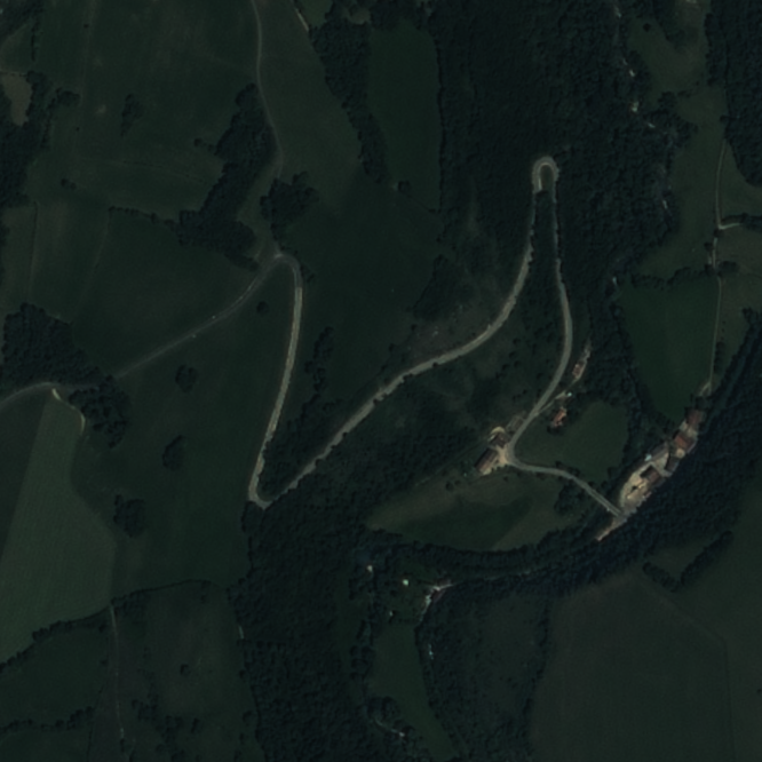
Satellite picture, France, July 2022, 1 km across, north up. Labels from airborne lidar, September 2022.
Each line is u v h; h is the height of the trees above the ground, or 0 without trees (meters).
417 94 0
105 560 0
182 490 0
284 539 18
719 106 0
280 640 7
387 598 21
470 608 5
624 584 0
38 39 10
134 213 11
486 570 21
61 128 0
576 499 22
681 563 0
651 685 0
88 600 0
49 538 0
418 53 0
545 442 0
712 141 0
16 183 20
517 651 0
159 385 0
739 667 0
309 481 14
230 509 0
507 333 0
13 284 0
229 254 17
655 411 18
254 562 15
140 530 19
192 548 0
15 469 0
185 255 0
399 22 17
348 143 0
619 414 0
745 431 20
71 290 0
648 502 0
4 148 15
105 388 24
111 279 0
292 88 0
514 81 17
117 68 0
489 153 18
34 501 0
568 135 25
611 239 24
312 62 0
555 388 0
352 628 0
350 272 0
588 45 23
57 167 0
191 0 0
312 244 0
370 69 16
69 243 0
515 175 19
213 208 20
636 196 23
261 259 0
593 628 0
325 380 19
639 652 0
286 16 0
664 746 0
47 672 0
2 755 0
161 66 0
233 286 0
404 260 0
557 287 17
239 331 0
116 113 0
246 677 18
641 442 20
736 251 0
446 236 7
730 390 17
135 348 0
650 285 19
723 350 9
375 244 0
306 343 0
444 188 11
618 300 16
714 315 0
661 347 0
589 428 0
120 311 0
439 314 10
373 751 21
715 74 15
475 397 7
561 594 13
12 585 0
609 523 14
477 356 0
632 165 24
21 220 0
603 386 16
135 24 0
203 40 0
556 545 25
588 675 0
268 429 0
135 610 17
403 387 12
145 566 0
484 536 0
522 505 0
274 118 0
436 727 0
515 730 12
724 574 0
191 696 0
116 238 0
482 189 13
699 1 0
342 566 24
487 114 14
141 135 0
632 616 0
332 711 18
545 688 0
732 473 23
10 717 0
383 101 0
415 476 13
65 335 17
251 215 0
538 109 23
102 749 0
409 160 0
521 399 7
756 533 0
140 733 0
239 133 19
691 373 0
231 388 0
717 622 0
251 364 0
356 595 17
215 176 0
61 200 0
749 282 0
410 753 21
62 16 0
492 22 15
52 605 0
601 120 25
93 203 0
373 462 12
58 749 0
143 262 0
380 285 0
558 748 0
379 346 0
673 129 21
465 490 0
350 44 13
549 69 20
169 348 0
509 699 0
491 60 16
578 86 18
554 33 23
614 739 0
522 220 14
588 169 24
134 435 0
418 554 24
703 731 0
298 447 7
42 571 0
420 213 0
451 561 21
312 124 0
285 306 0
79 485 0
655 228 29
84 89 0
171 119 0
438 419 11
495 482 0
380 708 16
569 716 0
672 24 18
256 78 0
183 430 0
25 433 0
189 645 0
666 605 0
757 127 13
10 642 0
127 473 0
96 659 0
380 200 0
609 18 27
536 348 11
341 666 14
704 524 21
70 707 0
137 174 0
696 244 0
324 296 0
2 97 14
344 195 0
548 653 10
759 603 0
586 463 0
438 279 11
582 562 19
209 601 13
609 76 23
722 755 0
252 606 24
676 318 0
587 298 12
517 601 0
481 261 15
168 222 9
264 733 22
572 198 21
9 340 18
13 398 0
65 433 0
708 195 0
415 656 0
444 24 22
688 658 0
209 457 0
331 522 13
